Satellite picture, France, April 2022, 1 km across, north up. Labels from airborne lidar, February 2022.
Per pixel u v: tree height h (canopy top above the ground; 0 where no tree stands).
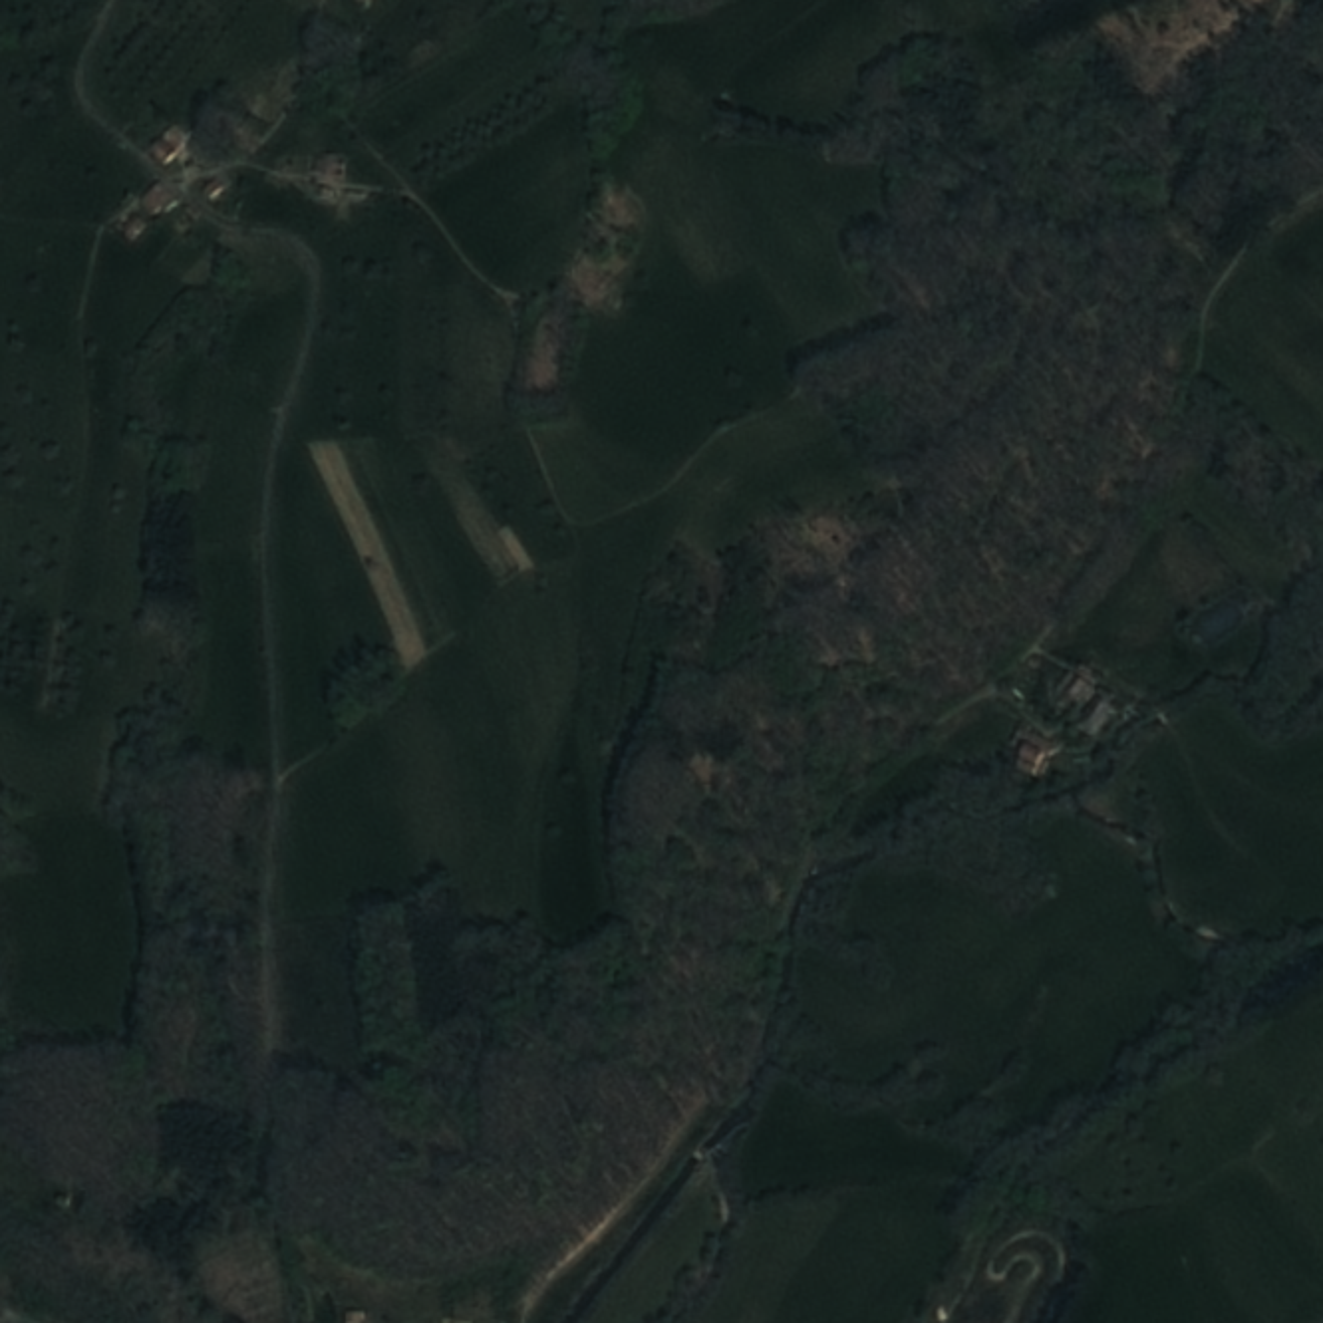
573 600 0
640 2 28
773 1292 0
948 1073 0
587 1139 40
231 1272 0
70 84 0
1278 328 0
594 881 0
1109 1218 8
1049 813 17
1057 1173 20
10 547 0
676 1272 0
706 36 0
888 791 0
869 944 14
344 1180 37
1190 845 0
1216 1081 12
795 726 28
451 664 0
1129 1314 0
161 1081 32
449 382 8
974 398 26
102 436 0
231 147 30
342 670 0
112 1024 0
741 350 0
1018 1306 0
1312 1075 0
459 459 0
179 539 27
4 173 0
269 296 0
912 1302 0
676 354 0
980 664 32
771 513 0
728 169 0
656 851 34
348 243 0
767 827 31
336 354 0
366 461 0
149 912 24
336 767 0
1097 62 18
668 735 28
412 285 0
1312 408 0
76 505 0
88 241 0
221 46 0
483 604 0
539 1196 42
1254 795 0
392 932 30
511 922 0
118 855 0
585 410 0
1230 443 17
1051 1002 0
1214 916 0
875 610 33
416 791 0
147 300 0
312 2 0
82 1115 32
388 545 0
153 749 29
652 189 0
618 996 24
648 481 0
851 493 0
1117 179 30
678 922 27
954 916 0
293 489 0
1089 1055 0
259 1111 28
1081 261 35
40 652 12
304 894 0
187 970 21
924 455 19
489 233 0
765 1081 18
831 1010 0
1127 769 11
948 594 29
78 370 0
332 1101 34
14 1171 0
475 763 0
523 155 0
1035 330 34
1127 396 32
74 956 0
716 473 0
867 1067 0
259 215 0
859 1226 0
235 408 0
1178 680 0
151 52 0
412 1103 26
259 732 0
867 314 0
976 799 20
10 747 0
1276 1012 26
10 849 32
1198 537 15
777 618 16
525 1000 27
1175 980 0
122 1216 27
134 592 0
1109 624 0
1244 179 33
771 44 0
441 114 0
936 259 27
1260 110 27
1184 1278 0
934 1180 0
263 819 0
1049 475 29
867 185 0
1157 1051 19
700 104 0
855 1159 0
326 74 23
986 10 0
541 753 0
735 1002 27
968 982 0
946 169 30
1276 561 0
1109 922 0
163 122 10
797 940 13
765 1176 0
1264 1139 0
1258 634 0
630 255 10
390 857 0
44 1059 31
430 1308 0
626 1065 35
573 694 0
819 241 0
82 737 0
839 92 0
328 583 0
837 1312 0
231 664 0
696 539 0
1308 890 0
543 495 0
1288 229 0
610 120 24
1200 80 33
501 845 0
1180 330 32
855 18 0
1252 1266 0
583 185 0
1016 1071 15
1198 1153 0
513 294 0
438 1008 21
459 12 0
